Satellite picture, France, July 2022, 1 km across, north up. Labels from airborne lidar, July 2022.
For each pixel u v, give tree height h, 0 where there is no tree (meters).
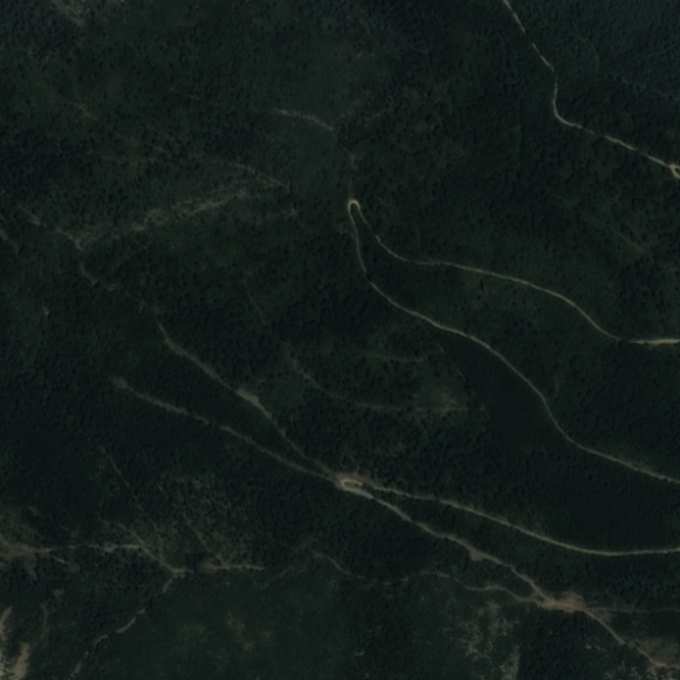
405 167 16
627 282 17
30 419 23
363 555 14
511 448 12
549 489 17
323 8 8
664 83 20
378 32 12
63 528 6
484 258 8
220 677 5
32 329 6
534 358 7
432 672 5
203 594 13
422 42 19
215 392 10
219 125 11
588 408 16
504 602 7
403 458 20
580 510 10
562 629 19
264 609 8
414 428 9
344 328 16
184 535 9
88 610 16
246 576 5
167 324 12
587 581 8
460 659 5
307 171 7
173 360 11
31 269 15
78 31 8
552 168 17
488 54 11
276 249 11
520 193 17
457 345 11
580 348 10
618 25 15
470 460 12
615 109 19
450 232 7
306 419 14
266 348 14
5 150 20
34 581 8
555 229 19
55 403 23
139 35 8
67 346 9
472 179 16
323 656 8
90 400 20
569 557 16
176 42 15
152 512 10
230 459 11
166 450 10
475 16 18
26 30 17
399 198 15
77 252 12
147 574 15
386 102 17
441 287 8
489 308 12
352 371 14
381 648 15
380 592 9
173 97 6
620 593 8
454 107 7
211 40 14
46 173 16
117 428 11
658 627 6
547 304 9
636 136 15
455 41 17
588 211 7
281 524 17
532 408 14
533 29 21
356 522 11
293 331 18
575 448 14
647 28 9
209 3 10
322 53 8
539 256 6
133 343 7
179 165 17
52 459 12
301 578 8
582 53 17
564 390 8
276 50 9
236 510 14
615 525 8
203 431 10
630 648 12
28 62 10
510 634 6
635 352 14
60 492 9
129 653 6
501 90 11
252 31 8
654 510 11
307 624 6
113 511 10
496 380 8
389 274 11
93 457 10
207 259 11
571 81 18
